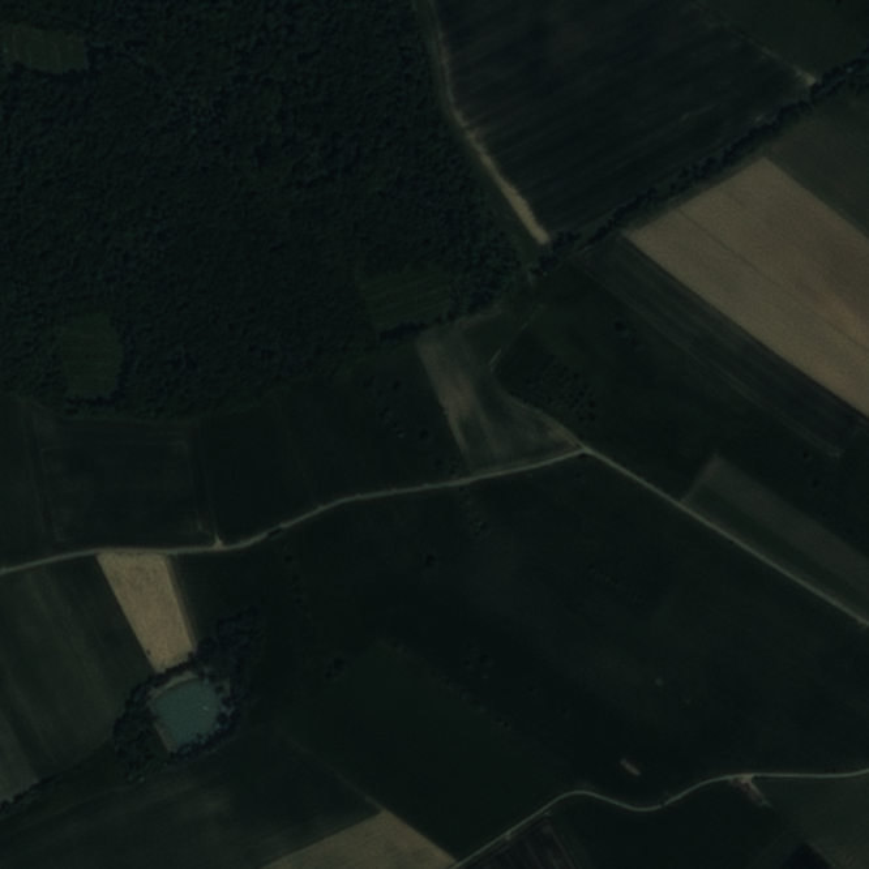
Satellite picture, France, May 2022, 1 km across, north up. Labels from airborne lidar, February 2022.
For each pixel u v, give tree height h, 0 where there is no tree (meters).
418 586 0
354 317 27
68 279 21
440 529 0
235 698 13
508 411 0
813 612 0
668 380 0
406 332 17
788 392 0
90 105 27
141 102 27
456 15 0
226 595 0
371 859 0
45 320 21
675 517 0
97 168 23
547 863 0
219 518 0
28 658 0
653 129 0
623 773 0
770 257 0
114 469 0
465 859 0
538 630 0
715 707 0
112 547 0
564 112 0
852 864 0
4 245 22
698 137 0
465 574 0
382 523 0
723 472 0
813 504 0
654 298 0
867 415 0
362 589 0
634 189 0
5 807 11
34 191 23
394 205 27
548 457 0
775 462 0
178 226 25
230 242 29
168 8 31
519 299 0
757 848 0
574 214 0
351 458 0
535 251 0
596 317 0
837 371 0
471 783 0
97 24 20
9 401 0
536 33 0
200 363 26
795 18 0
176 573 0
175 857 0
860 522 0
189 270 27
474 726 0
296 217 31
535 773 0
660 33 0
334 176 27
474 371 0
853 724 0
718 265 0
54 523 0
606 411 0
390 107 20
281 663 0
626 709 0
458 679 0
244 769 0
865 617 0
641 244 0
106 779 0
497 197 0
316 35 22
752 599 0
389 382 0
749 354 0
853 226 0
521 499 0
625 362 0
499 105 0
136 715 12
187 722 0
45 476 0
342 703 0
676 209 0
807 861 0
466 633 0
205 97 29
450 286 0
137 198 24
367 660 0
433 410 0
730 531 0
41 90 20
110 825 0
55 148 27
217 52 31
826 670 0
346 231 27
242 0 29
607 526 0
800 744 0
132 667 0
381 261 26
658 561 0
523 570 0
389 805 0
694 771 0
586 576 0
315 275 30
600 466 0
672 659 0
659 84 0
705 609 0
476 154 0
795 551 0
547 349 0
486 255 18
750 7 0
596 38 0
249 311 25
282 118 28
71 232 25
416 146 18
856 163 0
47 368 19
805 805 0
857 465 0
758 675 0
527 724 0
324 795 0
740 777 0
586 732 0
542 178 0
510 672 0
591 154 0
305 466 0
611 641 0
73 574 0
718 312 0
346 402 0
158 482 0
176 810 0
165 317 25
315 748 0
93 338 0
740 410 0
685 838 0
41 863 0
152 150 25
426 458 0
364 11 16
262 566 0
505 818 0
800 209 0
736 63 0
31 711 0
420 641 0
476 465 0
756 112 0
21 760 0
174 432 0
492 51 0
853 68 10
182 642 0
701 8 0
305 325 23
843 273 0
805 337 0
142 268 23
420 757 0
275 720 0
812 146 0
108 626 0
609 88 0
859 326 0
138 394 20
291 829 0
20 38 0
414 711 0
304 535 0
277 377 17
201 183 27
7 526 0
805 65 0
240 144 28
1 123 17
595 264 0
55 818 0
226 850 0
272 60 29
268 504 0
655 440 0
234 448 0
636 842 0
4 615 0
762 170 0
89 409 14
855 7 0
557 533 0
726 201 0
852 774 0
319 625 0
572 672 0
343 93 19
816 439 0
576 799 0
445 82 0
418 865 0
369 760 0
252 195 29
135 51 26
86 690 0
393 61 16
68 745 0
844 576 0
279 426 0
